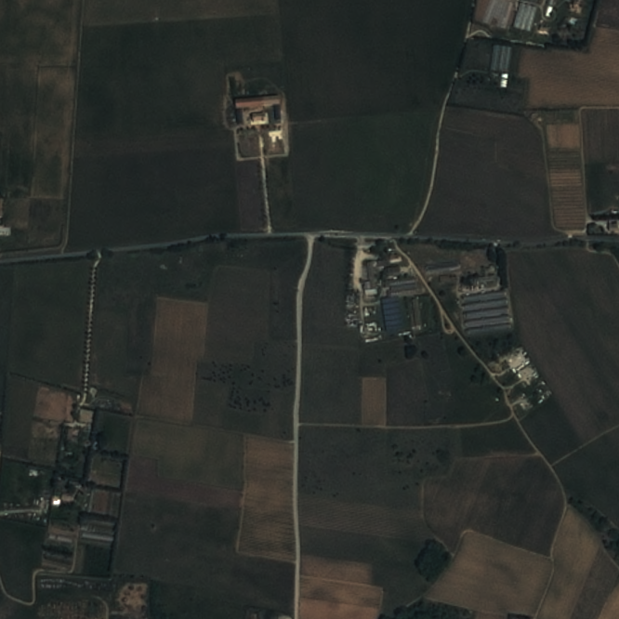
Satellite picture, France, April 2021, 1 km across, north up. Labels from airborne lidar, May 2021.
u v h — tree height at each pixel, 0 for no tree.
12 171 0
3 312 0
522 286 0
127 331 0
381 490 0
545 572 0
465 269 0
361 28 0
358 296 6
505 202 0
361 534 0
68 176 0
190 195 0
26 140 0
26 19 0
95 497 0
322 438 0
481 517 0
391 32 0
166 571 0
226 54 0
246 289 0
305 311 0
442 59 0
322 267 0
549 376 0
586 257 0
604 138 0
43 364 0
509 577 0
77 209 0
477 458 0
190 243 7
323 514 0
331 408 0
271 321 0
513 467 0
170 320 0
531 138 0
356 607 0
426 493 0
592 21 9
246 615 0
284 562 0
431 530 0
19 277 0
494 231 0
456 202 0
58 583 0
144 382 0
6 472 0
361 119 0
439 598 0
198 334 0
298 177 0
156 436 0
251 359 0
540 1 0
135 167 0
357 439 0
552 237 0
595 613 0
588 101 0
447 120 0
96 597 0
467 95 0
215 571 0
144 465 0
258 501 0
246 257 0
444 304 0
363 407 0
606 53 0
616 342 0
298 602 0
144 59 0
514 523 0
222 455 0
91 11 0
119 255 0
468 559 0
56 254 0
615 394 0
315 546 0
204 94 0
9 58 0
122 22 0
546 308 0
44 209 0
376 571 0
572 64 0
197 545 0
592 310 0
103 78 0
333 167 0
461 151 0
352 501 0
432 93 0
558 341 0
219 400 0
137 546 0
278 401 0
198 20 0
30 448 0
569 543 0
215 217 0
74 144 0
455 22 0
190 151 0
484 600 0
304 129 0
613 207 0
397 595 0
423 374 0
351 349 0
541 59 0
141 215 0
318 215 0
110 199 0
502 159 0
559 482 0
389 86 0
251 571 0
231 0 0
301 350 0
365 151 0
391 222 0
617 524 0
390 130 0
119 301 0
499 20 0
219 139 0
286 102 0
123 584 0
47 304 0
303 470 0
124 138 0
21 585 0
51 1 0
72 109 0
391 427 0
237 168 0
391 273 0
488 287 0
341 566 0
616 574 0
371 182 0
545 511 0
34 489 0
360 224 0
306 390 0
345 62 0
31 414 0
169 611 0
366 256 0
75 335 0
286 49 0
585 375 0
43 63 0
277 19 0
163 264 0
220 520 0
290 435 0
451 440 0
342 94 0
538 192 0
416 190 0
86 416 0
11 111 0
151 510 0
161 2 0
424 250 0
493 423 0
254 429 0
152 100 0
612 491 0
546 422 0
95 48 0
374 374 0
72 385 0
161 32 0
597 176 0
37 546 0
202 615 0
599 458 0
